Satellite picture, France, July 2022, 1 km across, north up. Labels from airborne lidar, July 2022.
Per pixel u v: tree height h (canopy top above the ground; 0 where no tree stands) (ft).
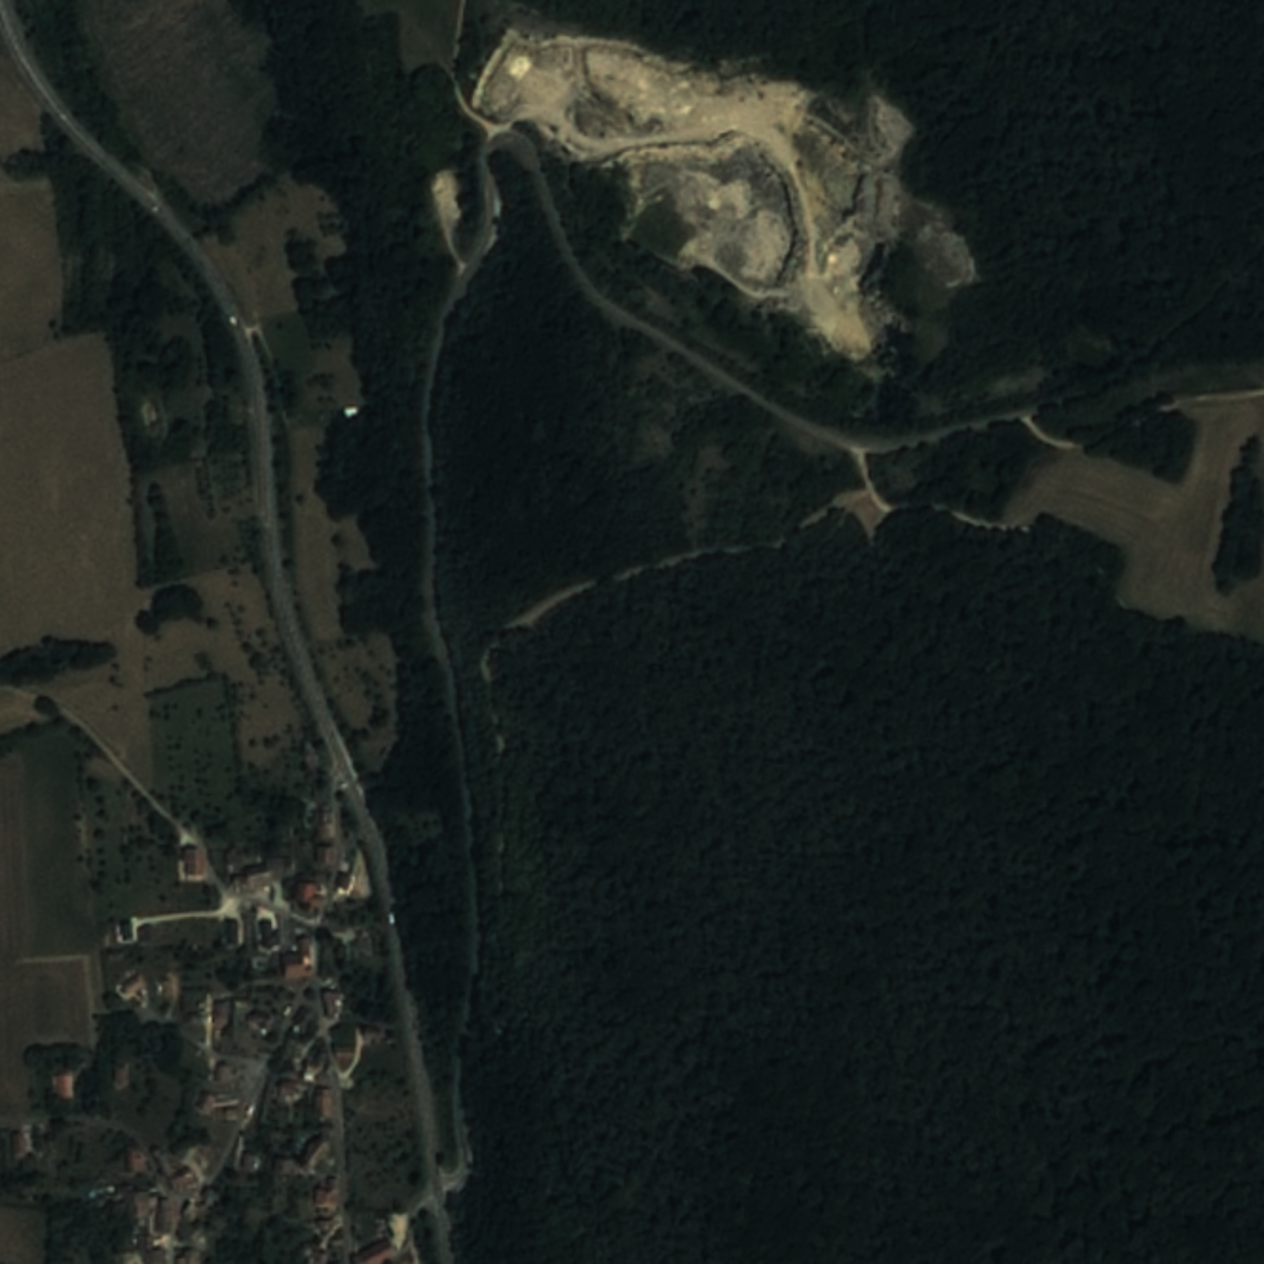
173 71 0
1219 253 61
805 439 0
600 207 32
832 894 57
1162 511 0
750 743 56
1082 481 0
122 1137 18
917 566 55
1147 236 75
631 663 56
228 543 0
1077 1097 67
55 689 0
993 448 45
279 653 26
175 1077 40
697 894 41
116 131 40
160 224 23
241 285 0
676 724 46
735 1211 73
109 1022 24
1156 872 68
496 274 26
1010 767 75
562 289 52
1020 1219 71
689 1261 41
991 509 32
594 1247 38
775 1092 74
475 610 37
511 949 42
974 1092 53
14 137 0
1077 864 80
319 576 0
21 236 0
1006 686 64
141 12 0
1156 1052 72
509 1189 69
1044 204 62
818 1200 71
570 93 0
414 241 24
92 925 0
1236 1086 81
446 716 26
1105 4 68
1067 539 37
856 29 19
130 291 43
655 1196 47
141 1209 0
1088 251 65
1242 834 72
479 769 48
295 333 0
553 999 36
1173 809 95
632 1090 55
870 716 44
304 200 0
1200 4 66
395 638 42
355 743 22
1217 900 68
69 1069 28
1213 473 0
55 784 0
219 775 0
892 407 63
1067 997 59
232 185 0
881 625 72
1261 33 78
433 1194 0
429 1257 37
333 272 51
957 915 42
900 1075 44
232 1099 0
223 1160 0
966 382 37
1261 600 0
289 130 58
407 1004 0
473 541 56
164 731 0
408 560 61
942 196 30
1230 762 67
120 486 0
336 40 73
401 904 60
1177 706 67
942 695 54
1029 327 30
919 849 58
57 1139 25
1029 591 52
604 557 57
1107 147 47
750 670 49
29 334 0
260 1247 20
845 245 0
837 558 45
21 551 0
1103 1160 75
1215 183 81
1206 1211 64
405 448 71
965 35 71
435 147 31
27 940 0
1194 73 70
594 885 44
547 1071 40
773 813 32
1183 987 70
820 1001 51
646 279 23
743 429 33
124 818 0
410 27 0
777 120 0
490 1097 58
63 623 0
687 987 58
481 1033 46
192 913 0
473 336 31
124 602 0
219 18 0
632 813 63
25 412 0
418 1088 0
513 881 43
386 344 56
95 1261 33
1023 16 58
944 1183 68
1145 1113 66
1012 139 59
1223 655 77
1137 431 55
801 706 47
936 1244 65
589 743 50
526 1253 74
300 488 0
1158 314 54
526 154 0
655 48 60
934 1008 45
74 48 64
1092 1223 71
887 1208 49
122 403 27
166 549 47
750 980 39
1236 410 0
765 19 47
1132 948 83
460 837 77
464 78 20
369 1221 0
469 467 65
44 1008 0
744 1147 89
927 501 32
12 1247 0
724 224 0
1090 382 62
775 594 54
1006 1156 63
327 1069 20
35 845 0
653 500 40
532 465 58
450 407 50
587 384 48
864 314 0
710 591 51
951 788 58
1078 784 62
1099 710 74
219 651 0
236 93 0
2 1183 22
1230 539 48
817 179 0
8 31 0
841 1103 58
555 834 52
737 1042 65
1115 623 76
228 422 24
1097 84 70
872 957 55
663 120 0
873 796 45
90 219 56
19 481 0
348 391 0
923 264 0
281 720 0
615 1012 51
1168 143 73
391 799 61
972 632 52
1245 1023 64
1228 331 57
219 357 49
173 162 0
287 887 29
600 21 33
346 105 72
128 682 0
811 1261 70
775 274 0
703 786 58
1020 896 74
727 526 32
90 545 0
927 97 54
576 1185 68
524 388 63
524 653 50
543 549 57
